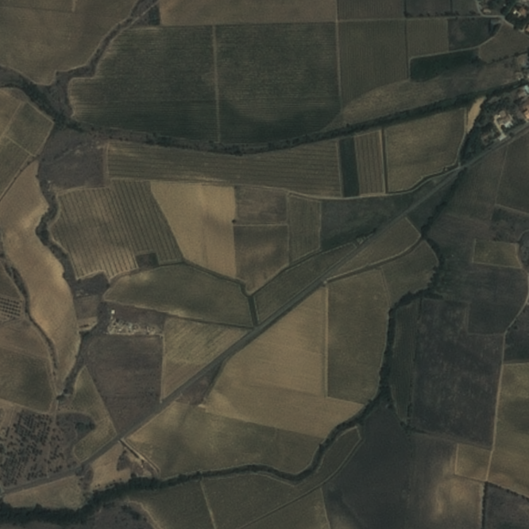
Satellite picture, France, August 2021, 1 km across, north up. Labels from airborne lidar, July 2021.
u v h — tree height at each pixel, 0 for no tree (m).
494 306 0
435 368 0
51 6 0
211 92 0
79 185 0
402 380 0
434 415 0
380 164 0
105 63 0
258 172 0
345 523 0
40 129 0
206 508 0
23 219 0
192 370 0
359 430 0
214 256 0
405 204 0
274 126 0
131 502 0
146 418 0
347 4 0
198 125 0
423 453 0
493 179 0
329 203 0
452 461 0
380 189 0
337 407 0
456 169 0
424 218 0
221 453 0
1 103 0
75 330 0
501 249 0
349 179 0
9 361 0
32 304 0
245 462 0
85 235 0
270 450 0
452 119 0
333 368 0
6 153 0
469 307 0
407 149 0
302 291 0
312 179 0
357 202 0
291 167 0
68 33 0
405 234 0
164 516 0
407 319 0
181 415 0
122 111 0
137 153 0
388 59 0
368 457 0
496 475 0
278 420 0
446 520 0
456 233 0
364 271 0
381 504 0
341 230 0
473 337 0
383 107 0
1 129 0
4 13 0
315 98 0
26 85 8
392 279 0
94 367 0
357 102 0
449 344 0
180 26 0
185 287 0
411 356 0
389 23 0
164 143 7
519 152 0
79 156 0
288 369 0
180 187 0
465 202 0
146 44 0
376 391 0
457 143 0
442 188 0
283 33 0
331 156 0
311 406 0
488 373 0
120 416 0
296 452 0
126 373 0
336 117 0
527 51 0
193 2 0
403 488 0
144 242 0
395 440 0
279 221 0
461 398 0
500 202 0
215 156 0
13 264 0
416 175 0
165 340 0
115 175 0
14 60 0
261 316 0
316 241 0
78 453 0
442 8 0
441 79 0
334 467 0
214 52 0
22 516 14
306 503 0
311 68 0
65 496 0
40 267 0
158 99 0
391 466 0
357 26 0
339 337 0
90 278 0
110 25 0
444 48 0
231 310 0
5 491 0
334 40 0
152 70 0
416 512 0
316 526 0
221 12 0
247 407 0
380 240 0
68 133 0
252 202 0
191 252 0
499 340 0
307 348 0
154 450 0
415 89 0
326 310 0
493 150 0
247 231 0
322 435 0
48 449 0
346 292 0
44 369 0
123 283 0
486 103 10
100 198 0
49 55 0
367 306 0
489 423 0
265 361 0
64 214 0
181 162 0
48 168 0
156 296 0
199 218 0
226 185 0
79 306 0
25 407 0
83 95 0
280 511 0
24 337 0
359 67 0
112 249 0
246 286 0
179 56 0
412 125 0
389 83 0
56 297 0
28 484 0
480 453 0
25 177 0
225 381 0
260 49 0
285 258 0
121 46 0
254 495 0
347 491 0
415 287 0
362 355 0
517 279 0
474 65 11
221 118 0
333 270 0
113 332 0
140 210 0
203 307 0
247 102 0
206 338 0
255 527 0
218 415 0
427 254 0
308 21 0
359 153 0
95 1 0
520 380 0
